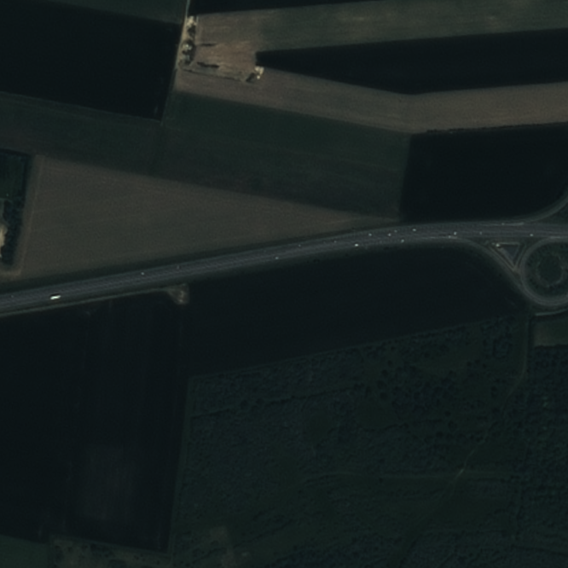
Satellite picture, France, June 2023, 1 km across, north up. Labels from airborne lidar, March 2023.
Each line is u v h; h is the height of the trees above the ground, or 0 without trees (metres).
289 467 0
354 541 11
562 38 0
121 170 0
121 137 0
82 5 0
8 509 0
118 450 0
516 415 12
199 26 0
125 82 0
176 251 0
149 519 0
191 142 0
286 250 0
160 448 0
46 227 0
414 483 0
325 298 0
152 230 0
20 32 0
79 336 0
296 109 0
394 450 8
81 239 0
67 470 0
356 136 0
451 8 0
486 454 0
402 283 0
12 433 0
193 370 0
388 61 0
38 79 0
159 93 0
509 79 0
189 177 0
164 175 0
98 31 0
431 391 12
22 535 0
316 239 0
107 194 0
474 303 0
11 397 0
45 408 0
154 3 0
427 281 0
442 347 13
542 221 0
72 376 0
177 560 0
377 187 0
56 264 0
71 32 0
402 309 0
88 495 0
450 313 0
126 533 0
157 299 0
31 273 0
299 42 0
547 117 0
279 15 0
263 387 6
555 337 0
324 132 0
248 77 0
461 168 0
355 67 0
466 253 0
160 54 0
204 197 0
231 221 0
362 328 0
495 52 0
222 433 6
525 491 14
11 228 8
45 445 0
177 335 0
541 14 0
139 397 0
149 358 0
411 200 0
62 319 0
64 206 0
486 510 0
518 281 0
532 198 0
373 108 0
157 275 0
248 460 7
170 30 0
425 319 0
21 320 0
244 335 0
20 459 0
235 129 0
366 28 0
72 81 0
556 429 18
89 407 0
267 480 6
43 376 0
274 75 0
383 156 0
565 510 10
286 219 0
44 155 0
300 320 0
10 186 0
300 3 0
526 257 0
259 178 0
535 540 6
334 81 0
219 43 0
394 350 8
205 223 0
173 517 0
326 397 6
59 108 0
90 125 0
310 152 0
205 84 0
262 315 0
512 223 0
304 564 16
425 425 12
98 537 0
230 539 0
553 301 0
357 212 0
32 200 0
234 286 0
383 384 12
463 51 0
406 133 0
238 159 0
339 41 0
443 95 0
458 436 12
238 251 0
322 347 0
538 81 0
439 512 0
